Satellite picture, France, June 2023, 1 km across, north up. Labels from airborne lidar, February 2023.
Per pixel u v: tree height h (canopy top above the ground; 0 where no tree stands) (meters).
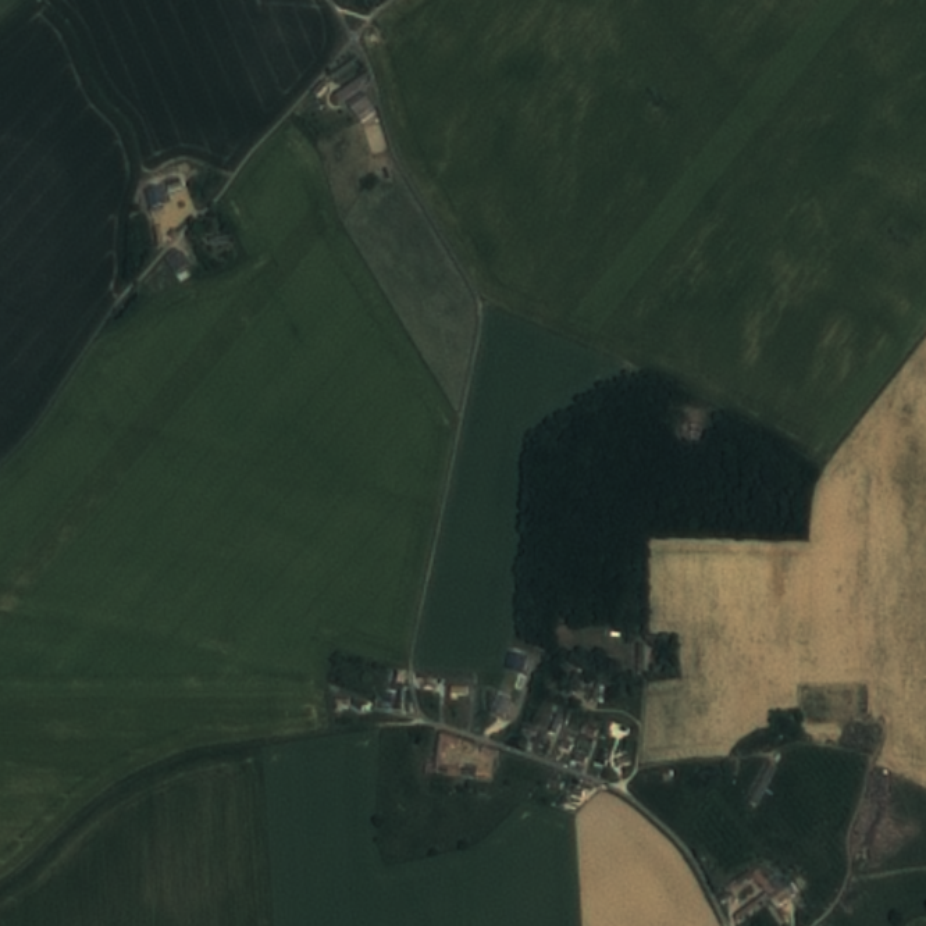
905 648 0
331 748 0
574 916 0
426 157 0
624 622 13
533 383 0
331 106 0
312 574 0
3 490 0
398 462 0
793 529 17
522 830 0
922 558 0
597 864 0
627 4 0
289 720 0
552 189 0
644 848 0
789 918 0
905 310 0
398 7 0
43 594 0
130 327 0
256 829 0
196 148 0
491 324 0
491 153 0
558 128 0
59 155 0
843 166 0
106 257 0
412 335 0
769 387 0
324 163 0
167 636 0
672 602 0
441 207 0
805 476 9
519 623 12
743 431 15
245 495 0
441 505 0
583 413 20
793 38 0
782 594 0
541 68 0
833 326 0
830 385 0
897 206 0
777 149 0
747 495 22
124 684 0
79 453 0
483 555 0
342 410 0
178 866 0
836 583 0
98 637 0
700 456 21
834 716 0
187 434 0
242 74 0
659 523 19
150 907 0
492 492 0
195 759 0
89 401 0
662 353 0
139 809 0
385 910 0
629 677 8
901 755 0
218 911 0
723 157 0
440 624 0
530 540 18
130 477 0
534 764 0
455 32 0
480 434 0
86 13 0
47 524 0
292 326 0
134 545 0
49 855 0
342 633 0
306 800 0
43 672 0
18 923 0
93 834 0
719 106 0
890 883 0
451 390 0
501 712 0
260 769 0
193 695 0
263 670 0
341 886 0
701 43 0
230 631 0
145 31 0
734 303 0
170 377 0
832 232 0
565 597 23
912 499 0
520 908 0
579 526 25
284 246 0
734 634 0
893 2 0
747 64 0
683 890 0
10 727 0
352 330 0
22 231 0
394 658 0
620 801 0
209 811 0
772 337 0
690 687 0
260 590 0
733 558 0
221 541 0
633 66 0
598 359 0
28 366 0
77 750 0
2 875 0
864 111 0
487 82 0
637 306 0
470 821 0
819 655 0
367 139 0
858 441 0
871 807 0
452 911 0
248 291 0
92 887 0
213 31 0
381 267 0
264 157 0
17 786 0
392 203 0
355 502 0
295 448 0
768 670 0
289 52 0
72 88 0
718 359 0
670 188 0
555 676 11
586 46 0
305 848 0
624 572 23
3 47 0
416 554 0
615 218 0
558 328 0
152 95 0
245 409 0
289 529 0
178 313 0
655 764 0
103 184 0
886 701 0
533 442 16
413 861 0
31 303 0
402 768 0
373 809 0
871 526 0
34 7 0
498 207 0
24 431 0
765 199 0
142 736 0
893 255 0
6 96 0
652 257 0
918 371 0
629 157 0
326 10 0
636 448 24
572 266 0
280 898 0
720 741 0
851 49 0
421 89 0
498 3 0
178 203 0
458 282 0
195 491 0
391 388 0
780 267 0
